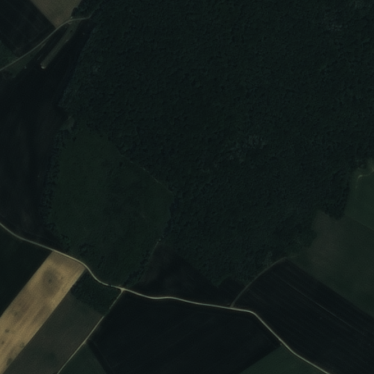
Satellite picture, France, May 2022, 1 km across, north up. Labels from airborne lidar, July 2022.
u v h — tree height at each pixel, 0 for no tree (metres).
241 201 21
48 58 0
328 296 0
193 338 0
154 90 25
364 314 0
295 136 22
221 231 21
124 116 31
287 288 0
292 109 18
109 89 25
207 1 14
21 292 0
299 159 18
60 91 0
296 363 0
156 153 26
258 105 16
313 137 20
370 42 24
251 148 23
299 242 14
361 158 14
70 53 0
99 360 0
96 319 0
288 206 16
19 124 0
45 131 0
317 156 17
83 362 0
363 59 23
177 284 0
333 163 22
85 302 20
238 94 23
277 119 20
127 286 15
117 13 22
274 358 0
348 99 25
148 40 15
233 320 0
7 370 0
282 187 15
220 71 24
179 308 0
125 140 29
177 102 29
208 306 0
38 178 0
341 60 21
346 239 0
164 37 22
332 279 0
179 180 29
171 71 20
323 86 20
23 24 0
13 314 0
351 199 0
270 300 0
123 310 0
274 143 21
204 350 0
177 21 18
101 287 13
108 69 22
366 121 17
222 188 23
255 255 18
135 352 0
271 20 21
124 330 0
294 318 0
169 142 29
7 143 0
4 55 12
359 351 0
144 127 27
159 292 0
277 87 16
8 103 0
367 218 0
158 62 21
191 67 18
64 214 0
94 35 19
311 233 9
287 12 20
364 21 25
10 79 0
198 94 28
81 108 24
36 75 0
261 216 18
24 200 0
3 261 0
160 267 0
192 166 26
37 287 0
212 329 0
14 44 0
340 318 0
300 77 15
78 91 17
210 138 20
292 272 0
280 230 16
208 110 26
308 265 0
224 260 10
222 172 18
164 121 30
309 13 19
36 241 0
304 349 0
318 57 21
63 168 0
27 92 0
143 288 0
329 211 16
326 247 0
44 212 19
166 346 0
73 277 0
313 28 20
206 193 21
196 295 0
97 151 0
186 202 22
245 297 0
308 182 15
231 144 7
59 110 0
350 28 21
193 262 16
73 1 0
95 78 20
